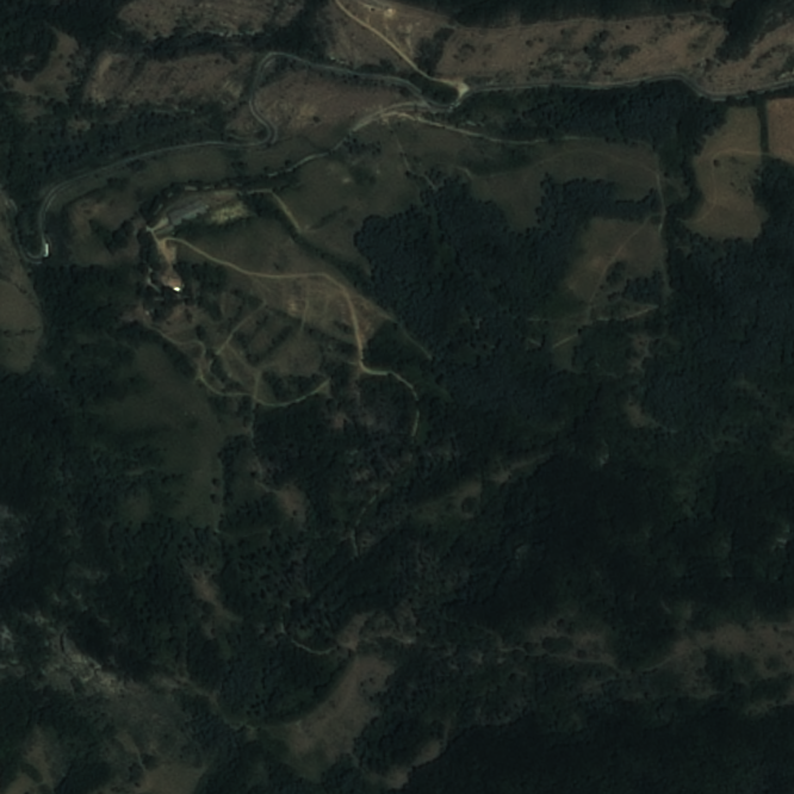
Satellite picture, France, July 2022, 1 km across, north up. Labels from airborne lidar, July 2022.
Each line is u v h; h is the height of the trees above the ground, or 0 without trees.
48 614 8
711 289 6
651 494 13
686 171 9
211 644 12
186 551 15
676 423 11
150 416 0
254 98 0
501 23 0
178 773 0
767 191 13
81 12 16
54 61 0
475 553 10
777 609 6
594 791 9
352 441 8
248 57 0
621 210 15
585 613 6
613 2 6
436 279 13
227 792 9
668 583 13
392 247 14
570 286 0
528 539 6
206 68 0
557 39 0
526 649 9
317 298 0
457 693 8
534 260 15
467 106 8
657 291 12
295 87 0
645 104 17
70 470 9
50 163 9
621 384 6
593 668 5
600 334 6
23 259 8
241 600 14
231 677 13
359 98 0
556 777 12
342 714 0
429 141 0
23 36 8
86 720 10
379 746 9
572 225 9
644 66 0
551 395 16
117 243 11
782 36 0
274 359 0
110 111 6
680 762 11
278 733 0
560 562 12
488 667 10
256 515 12
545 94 8
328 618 14
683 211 8
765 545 11
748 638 0
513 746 19
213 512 0
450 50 0
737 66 0
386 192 0
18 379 12
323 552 8
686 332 8
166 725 0
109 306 7
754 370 12
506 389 15
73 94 12
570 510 9
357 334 0
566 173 0
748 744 8
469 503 8
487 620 14
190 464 0
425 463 16
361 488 12
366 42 0
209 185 6
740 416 6
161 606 14
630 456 8
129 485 7
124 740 0
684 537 15
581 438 9
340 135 0
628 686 7
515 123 7
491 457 7
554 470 13
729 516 14
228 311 0
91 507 12
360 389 6
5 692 9
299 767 0
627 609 11
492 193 0
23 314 0
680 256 7
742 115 0
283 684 8
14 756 10
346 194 0
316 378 9
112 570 7
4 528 6
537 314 7
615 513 9
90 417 6
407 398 11
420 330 9
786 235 12
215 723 12
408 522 7
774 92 10
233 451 13
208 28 8
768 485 12
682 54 0
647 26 0
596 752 12
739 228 0
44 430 10
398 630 6
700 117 15
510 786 10
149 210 8
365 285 11
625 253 0
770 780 8
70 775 11
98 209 0
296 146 0
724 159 0
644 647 7
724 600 10
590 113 16
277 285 0
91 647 12
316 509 13
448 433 15
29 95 7
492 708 9
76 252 0
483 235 14
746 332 13
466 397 11
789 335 10
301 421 9
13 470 13
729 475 12
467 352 0
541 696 8
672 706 8
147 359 0
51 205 0
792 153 0
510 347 13
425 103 0
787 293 16
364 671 0
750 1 13
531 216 0
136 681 12
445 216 15
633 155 0
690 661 0
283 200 0
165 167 0
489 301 12
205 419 0
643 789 8
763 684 6
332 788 11
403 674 8
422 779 14
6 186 8
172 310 0
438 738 10
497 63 0
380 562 12
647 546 8
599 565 7
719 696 8
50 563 10
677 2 11
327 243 0
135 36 10
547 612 7
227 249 0
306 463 12
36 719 10
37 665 7
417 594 12
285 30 14
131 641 8
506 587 11
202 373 0
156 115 7
